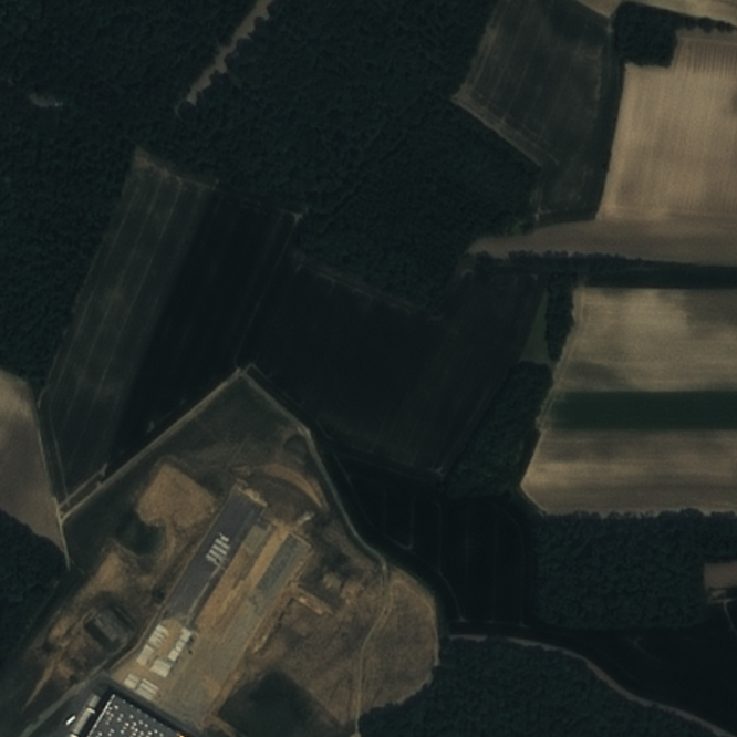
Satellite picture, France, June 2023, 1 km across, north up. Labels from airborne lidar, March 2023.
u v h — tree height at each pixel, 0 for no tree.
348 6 17
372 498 0
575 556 28
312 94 22
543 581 24
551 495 0
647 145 0
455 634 0
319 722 0
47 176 24
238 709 0
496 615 0
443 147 25
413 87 20
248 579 0
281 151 18
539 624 0
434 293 19
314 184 15
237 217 0
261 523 0
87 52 22
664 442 0
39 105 18
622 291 0
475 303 0
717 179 0
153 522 0
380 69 21
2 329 8
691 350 0
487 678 24
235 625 0
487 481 18
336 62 18
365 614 0
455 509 0
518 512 0
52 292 14
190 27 23
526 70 0
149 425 0
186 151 19
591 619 23
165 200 0
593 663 0
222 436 0
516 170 22
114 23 17
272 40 22
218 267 0
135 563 0
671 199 0
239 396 0
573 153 0
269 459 0
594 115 0
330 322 0
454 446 0
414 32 15
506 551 0
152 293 0
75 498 0
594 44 0
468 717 22
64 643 0
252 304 0
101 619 0
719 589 0
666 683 0
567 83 0
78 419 0
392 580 0
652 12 17
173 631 0
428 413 0
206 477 0
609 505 0
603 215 0
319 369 0
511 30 0
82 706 0
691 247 0
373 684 0
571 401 0
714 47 0
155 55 22
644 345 0
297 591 0
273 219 0
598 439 0
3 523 20
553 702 22
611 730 26
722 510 0
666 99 0
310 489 0
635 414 0
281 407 0
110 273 0
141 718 0
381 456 0
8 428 0
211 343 0
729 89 0
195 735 0
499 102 0
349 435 0
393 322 0
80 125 22
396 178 14
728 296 0
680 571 30
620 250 0
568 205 0
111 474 0
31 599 21
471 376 0
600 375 0
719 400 0
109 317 0
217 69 0
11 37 16
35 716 0
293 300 0
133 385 0
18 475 0
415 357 0
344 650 0
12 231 13
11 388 0
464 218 11
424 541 0
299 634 0
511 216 8
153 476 0
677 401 0
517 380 19
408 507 0
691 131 0
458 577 0
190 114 22
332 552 0
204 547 0
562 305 9
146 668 0
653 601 29
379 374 0
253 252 0
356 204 17
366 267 22
